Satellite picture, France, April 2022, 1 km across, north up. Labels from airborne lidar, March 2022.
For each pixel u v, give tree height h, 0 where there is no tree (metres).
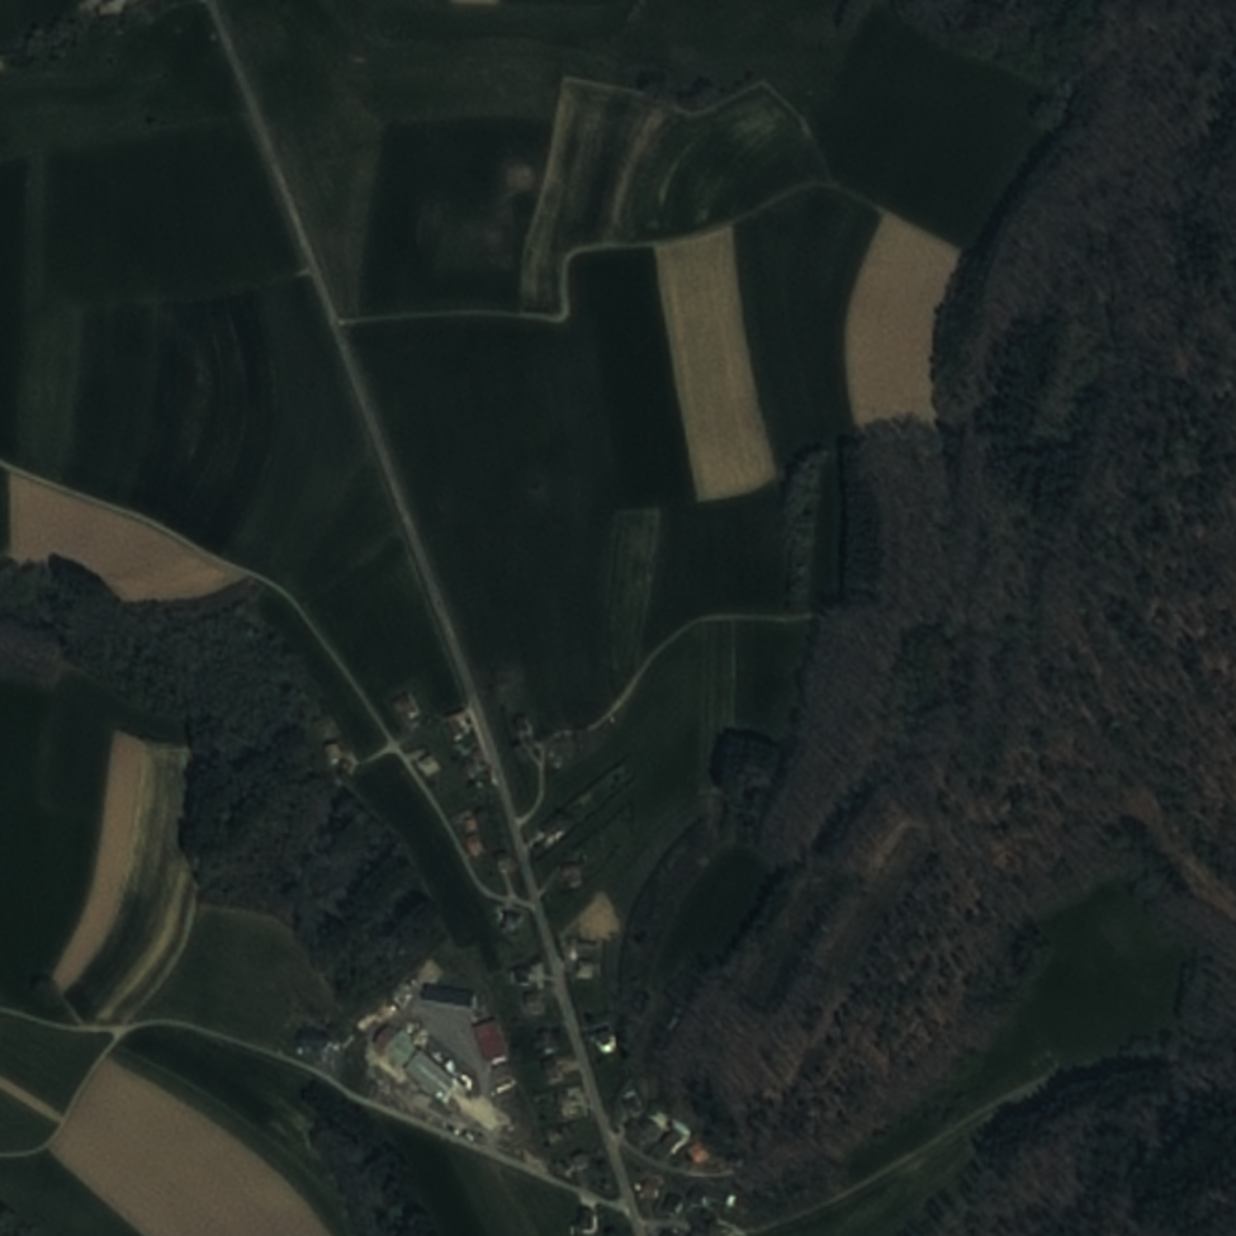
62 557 0
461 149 0
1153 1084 27
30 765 0
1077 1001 0
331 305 0
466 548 0
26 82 0
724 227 0
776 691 0
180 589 0
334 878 6
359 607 0
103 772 0
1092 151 20
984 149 0
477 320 0
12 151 0
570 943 0
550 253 0
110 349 0
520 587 0
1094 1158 29
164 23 0
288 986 0
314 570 0
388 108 0
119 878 0
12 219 0
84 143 0
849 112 0
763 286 0
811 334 0
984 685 27
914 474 30
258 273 0
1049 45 19
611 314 0
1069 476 27
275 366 0
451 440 0
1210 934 30
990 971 23
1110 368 16
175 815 0
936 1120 14
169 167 0
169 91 0
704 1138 6
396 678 0
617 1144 0
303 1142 0
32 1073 0
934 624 26
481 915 0
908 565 28
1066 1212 32
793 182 0
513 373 0
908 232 0
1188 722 25
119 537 0
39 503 0
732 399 0
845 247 0
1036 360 24
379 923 15
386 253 0
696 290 0
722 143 0
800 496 18
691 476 0
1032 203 25
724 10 0
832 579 0
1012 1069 0
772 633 0
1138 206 23
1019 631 20
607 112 0
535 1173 0
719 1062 28
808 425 0
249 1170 0
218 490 0
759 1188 26
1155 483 19
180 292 0
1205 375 17
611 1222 0
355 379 0
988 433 13
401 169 0
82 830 0
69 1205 0
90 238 0
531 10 0
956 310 10
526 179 0
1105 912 0
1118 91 23
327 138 0
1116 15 22
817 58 0
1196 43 19
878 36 0
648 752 0
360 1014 0
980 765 21
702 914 0
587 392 0
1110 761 29
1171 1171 17
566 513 0
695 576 0
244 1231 0
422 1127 0
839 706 27
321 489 0
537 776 0
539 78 0
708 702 0
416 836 0
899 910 0
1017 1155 25
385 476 0
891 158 0
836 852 22
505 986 0
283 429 0
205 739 13
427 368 0
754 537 0
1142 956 0
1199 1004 27
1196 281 25
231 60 0
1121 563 24
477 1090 0
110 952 0
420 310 0
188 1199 0
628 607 0
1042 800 24
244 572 0
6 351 0
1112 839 27
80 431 0
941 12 24
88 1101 0
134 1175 0
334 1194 0
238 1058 0
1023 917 32
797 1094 14
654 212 0
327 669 0
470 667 0
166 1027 0
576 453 0
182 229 0
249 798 16
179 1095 0
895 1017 18
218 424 0
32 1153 0
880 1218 0
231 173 0
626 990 7
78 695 0
